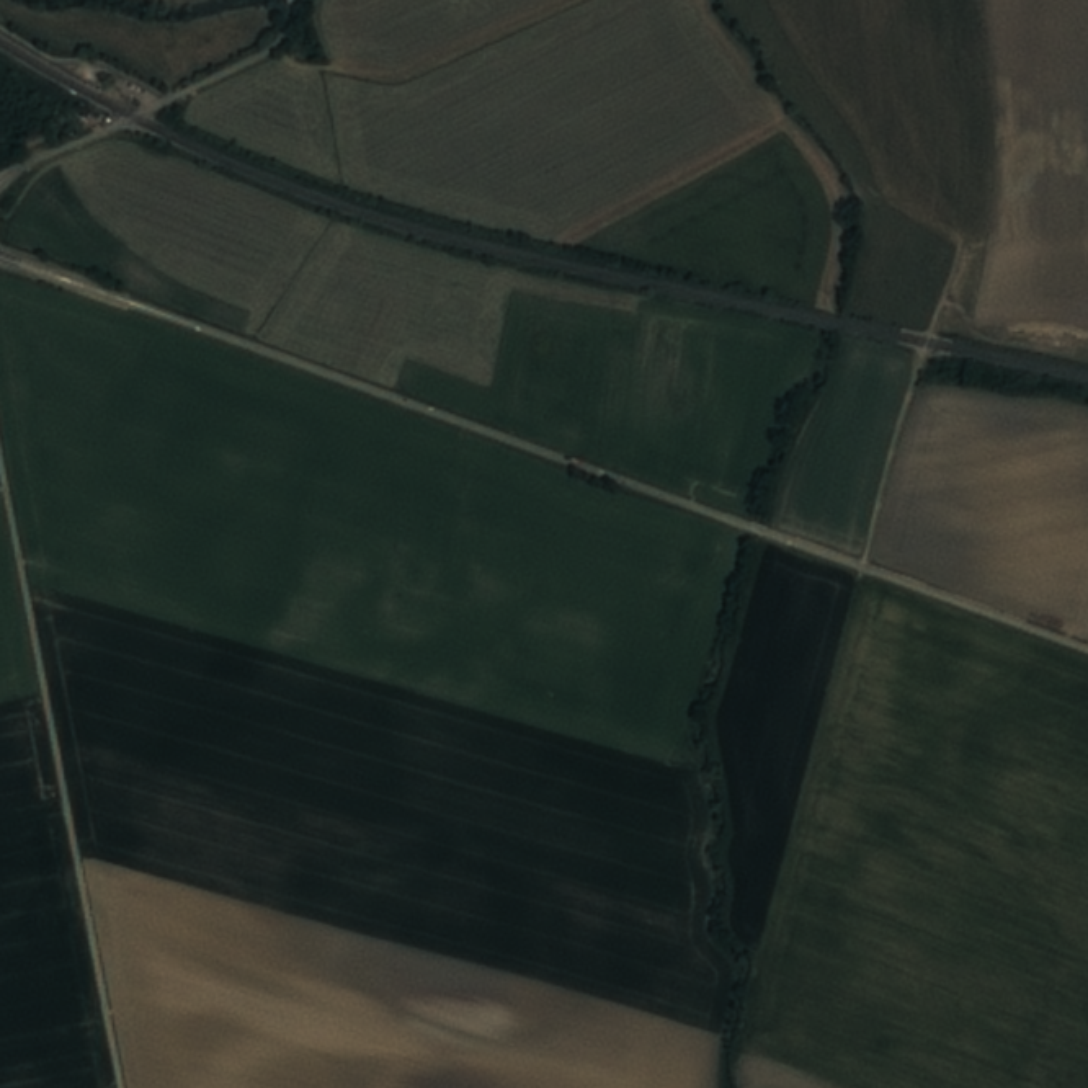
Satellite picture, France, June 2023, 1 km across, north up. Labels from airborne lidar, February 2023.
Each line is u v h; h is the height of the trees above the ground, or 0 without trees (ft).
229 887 0
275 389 0
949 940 0
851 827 0
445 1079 0
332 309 0
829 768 0
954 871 0
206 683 0
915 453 0
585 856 0
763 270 0
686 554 0
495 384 0
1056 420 0
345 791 0
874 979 0
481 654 0
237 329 0
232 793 0
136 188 0
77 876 0
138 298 0
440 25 0
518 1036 0
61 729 0
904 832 0
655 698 0
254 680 0
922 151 0
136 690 0
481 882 0
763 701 0
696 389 0
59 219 0
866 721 0
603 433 0
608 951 0
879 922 0
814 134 21
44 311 0
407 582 0
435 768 0
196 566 0
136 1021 0
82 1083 0
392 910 0
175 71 0
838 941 0
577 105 0
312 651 0
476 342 0
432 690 0
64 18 0
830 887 0
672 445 0
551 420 0
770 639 0
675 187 0
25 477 0
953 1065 0
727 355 0
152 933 0
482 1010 0
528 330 0
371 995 0
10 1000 0
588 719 0
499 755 0
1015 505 0
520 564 0
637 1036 0
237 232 0
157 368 0
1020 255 0
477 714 0
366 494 0
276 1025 0
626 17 0
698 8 0
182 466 0
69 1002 0
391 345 0
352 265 0
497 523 0
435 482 0
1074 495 0
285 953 0
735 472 0
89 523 0
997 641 0
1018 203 0
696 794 0
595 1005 0
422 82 0
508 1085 0
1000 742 0
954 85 0
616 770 0
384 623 0
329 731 0
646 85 0
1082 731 0
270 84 0
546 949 0
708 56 0
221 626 0
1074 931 0
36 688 0
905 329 0
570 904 0
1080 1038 0
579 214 0
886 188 0
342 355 0
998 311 0
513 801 0
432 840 0
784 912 0
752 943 0
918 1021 0
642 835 0
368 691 0
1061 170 0
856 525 0
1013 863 0
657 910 0
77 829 0
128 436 0
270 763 0
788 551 0
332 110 0
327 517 0
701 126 0
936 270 0
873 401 0
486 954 0
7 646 0
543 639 0
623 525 0
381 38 0
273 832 0
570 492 0
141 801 0
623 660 0
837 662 0
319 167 0
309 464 0
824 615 0
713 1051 0
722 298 0
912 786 0
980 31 0
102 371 0
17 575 0
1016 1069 0
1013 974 0
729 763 0
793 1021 0
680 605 0
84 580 0
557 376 0
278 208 0
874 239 0
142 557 0
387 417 0
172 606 0
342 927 0
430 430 0
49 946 0
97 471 0
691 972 0
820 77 0
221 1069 0
